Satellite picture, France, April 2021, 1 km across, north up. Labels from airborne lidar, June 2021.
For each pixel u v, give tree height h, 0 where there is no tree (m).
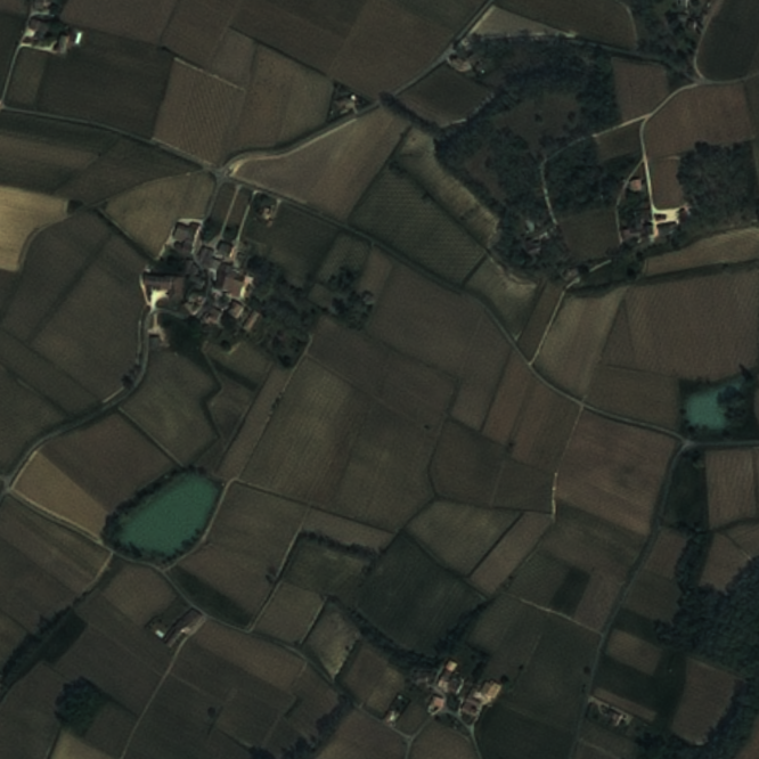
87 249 0
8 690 10
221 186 0
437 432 0
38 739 0
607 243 0
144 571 0
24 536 0
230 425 0
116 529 15
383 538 0
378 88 0
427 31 0
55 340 0
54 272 0
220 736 0
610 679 0
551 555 0
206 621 0
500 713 0
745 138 0
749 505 0
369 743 0
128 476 0
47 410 0
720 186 18
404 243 0
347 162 0
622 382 0
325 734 21
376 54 0
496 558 0
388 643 11
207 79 0
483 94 0
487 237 0
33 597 0
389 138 0
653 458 0
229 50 0
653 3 18
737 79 0
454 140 8
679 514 0
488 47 17
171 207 0
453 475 0
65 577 0
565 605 0
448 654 17
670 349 0
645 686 0
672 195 0
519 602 0
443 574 0
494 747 0
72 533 0
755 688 17
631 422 0
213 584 0
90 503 0
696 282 0
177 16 0
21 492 0
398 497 0
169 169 0
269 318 24
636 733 7
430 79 0
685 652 9
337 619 0
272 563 0
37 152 0
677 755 7
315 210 0
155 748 0
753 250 0
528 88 14
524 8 0
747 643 9
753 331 0
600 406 0
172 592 0
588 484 0
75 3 0
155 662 0
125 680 0
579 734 0
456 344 0
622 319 0
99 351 0
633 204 6
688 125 0
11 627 0
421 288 0
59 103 0
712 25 0
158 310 0
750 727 24
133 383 14
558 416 0
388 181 0
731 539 0
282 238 0
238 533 0
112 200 0
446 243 0
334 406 0
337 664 0
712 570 0
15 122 0
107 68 0
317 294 0
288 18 0
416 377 0
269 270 23
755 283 0
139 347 0
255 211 11
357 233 0
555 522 0
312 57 0
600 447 0
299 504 0
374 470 0
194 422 0
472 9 0
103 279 0
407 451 0
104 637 0
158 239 0
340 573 0
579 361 0
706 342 0
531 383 0
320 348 0
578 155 19
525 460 0
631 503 0
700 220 22
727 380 0
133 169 0
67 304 0
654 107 0
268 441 0
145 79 0
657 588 0
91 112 0
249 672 0
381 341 0
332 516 0
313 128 0
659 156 0
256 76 0
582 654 0
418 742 0
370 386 0
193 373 0
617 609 0
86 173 0
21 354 0
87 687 18
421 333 0
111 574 0
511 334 0
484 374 0
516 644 0
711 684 0
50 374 0
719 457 0
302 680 0
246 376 0
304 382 0
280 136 0
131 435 0
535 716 0
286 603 0
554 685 0
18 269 0
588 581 0
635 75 0
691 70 14
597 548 0
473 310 0
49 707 0
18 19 0
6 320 0
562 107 0
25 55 0
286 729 0
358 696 0
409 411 0
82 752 0
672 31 11
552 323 0
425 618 0
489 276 0
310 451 0
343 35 0
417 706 0
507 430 0
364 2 0
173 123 0
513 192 16
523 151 8
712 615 13
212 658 0
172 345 0
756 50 0
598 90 13
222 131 0
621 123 15
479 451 0
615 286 12
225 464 0
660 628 14
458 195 0
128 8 0
